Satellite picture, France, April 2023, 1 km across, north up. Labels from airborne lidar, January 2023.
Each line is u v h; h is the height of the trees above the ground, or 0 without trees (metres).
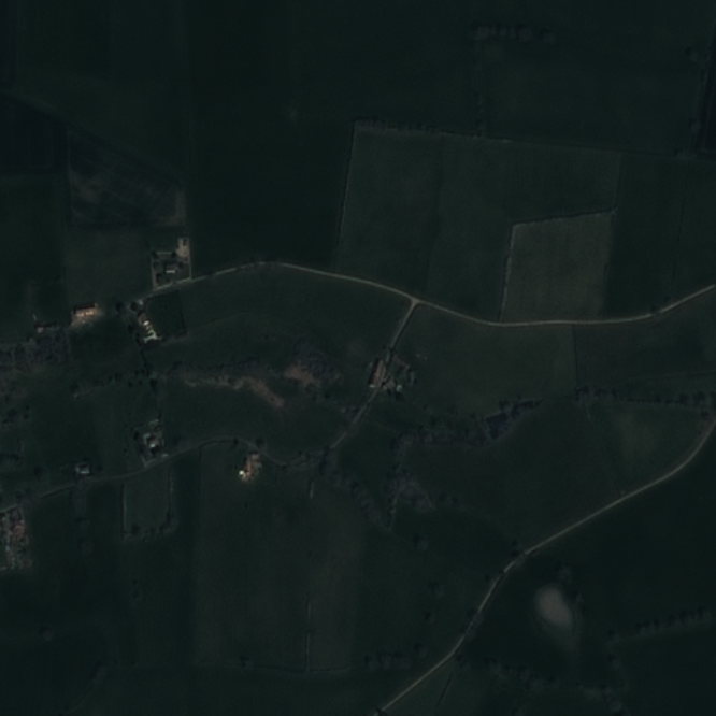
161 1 0
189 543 0
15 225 0
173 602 0
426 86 0
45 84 0
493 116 0
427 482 0
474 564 0
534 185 0
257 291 0
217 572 0
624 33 0
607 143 0
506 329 0
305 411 0
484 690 0
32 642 0
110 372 0
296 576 0
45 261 0
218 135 0
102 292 0
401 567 0
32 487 0
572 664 0
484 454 0
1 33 0
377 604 0
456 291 0
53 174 0
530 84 0
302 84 0
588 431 0
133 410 0
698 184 0
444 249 0
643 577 0
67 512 0
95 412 0
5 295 0
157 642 0
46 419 0
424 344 0
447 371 0
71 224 0
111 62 0
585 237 0
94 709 0
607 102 0
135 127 0
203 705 0
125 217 0
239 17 0
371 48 0
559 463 0
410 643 0
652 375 0
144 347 8
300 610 0
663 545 0
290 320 0
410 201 0
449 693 0
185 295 0
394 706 0
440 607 0
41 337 0
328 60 0
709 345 0
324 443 0
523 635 0
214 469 0
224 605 0
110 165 0
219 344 0
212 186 0
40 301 0
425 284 0
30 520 0
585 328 0
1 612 0
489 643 0
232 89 0
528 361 0
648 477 0
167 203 0
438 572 0
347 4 0
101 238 0
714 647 0
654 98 0
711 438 0
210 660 0
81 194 0
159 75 0
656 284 0
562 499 0
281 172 0
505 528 0
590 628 0
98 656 0
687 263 0
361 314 0
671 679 0
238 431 0
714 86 0
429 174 0
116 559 0
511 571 0
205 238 0
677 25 0
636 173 0
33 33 0
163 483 0
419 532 0
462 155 0
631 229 0
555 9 0
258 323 0
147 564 0
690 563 0
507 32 11
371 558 0
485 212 0
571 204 0
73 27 0
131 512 0
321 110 0
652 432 0
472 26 0
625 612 0
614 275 0
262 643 0
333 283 0
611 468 0
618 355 0
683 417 0
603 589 0
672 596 0
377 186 0
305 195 0
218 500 0
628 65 0
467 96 0
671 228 0
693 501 0
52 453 0
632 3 0
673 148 0
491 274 0
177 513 0
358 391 0
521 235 0
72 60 0
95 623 0
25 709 0
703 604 0
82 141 0
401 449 18
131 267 0
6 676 0
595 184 0
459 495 0
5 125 0
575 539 0
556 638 0
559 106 0
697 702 0
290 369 0
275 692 0
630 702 0
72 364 21
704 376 0
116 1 0
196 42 0
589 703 0
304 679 0
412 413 0
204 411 0
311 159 0
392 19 0
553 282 0
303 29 0
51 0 0
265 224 0
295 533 0
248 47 0
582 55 0
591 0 0
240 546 0
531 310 0
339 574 0
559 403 0
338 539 0
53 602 0
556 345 0
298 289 0
